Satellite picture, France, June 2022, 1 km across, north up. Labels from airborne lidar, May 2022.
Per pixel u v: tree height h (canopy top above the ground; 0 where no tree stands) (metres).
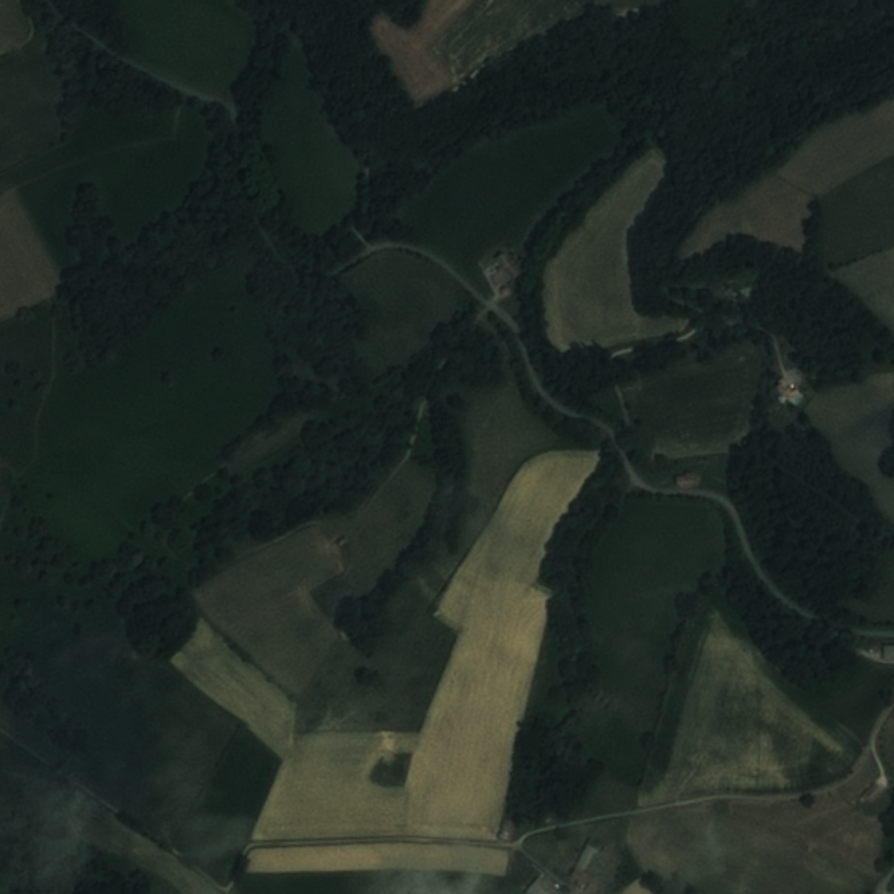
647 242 25
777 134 22
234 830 0
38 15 9
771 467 18
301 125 0
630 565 0
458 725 0
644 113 16
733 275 15
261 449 0
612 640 0
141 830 11
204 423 0
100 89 25
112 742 0
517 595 0
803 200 0
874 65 21
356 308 24
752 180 20
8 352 0
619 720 0
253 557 0
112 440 0
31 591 0
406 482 0
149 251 21
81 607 10
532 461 0
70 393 0
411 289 0
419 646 0
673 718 0
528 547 0
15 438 0
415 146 15
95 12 29
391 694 0
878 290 0
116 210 0
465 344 15
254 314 0
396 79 14
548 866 0
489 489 0
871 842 0
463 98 17
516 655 0
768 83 22
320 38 19
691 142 21
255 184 36
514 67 15
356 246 17
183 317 0
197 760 0
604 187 15
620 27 21
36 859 25
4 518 0
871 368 0
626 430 12
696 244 0
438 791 0
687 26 0
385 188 18
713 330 24
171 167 0
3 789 0
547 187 0
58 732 10
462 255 0
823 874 0
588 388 20
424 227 0
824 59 23
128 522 0
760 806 0
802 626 20
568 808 17
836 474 17
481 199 0
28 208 0
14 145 0
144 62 0
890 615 0
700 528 0
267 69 18
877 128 0
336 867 0
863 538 19
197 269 25
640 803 0
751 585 15
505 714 0
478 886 0
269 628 0
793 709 0
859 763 0
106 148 0
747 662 0
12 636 0
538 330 17
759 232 0
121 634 0
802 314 21
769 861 0
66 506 0
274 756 0
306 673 0
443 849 0
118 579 14
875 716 0
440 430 16
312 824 0
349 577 0
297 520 19
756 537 9
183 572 0
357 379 20
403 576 20
